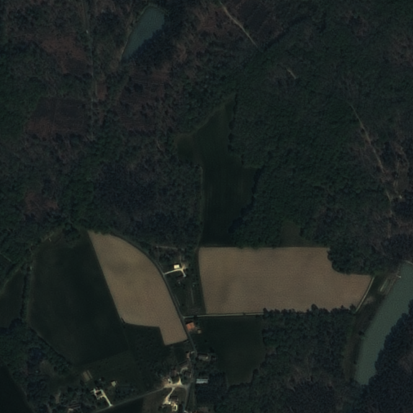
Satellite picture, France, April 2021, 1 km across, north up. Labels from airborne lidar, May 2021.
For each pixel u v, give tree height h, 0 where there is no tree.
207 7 10
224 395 11
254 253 0
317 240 12
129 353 0
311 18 13
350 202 22
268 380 18
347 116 19
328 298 0
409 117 15
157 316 0
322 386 19
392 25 21
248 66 23
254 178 0
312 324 19
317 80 18
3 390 0
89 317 0
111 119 11
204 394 14
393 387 21
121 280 0
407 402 20
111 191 14
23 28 13
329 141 19
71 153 17
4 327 0
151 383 0
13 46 19
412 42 21
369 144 14
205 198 0
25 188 18
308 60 20
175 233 23
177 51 19
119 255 0
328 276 0
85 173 20
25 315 16
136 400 0
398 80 18
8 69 17
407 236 11
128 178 19
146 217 13
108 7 12
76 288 0
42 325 0
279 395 18
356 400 25
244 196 0
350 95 16
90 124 13
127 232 8
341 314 19
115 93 22
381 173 20
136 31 0
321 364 24
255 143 20
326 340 25
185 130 19
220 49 11
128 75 16
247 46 18
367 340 0
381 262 16
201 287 0
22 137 18
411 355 23
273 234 20
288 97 22
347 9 15
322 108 14
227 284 0
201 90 16
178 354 0
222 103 18
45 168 15
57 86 18
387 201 17
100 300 0
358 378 0
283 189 21
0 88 18
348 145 16
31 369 20
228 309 0
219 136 0
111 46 20
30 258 20
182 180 16
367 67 20
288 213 20
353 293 0
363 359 0
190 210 13
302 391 20
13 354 24
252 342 0
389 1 15
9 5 13
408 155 18
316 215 19
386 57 16
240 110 17
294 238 0
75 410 6
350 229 16
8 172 17
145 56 23
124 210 17
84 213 18
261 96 22
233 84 20
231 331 0
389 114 17
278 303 0
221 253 0
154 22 0
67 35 6
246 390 19
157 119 17
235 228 17
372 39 17
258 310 0
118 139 17
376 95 22
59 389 0
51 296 0
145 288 0
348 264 18
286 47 19
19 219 19
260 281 0
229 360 0
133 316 0
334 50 19
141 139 20
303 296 0
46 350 18
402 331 22
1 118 16
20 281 0
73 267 0
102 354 0
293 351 16
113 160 15
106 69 22
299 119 18
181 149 0
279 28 7
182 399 0
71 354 0
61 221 18
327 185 20
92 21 8
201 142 0
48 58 14
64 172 14
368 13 18
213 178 0
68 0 15
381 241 18
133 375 0
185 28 18
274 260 0
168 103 15
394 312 0
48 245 0
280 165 16
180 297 0
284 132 20
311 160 21
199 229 25
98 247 0
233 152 20
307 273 0
